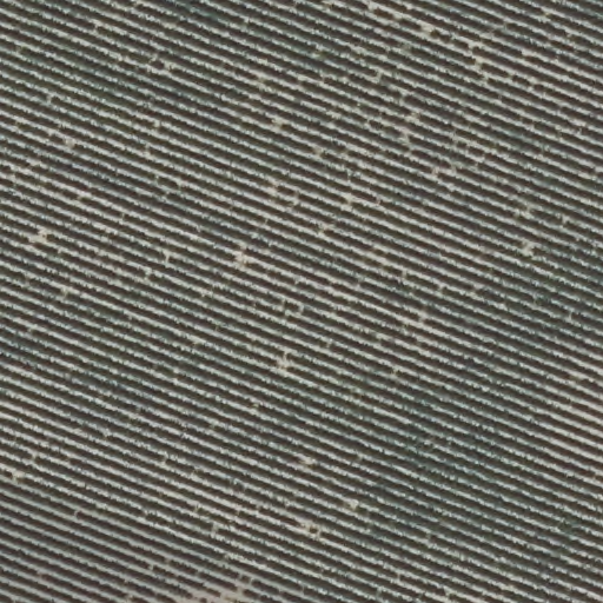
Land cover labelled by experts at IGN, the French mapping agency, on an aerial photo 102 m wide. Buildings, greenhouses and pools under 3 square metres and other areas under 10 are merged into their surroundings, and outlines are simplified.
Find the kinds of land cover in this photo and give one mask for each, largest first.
<instances>
[{"label":"vineyard","instance_id":"1","mask_svg":"<svg viewBox=\"0 0 603 603\"><path fill-rule=\"evenodd\" d=\"M0 603H603V0H0Z\"/></svg>","mask_w":603,"mask_h":603}]
</instances>
